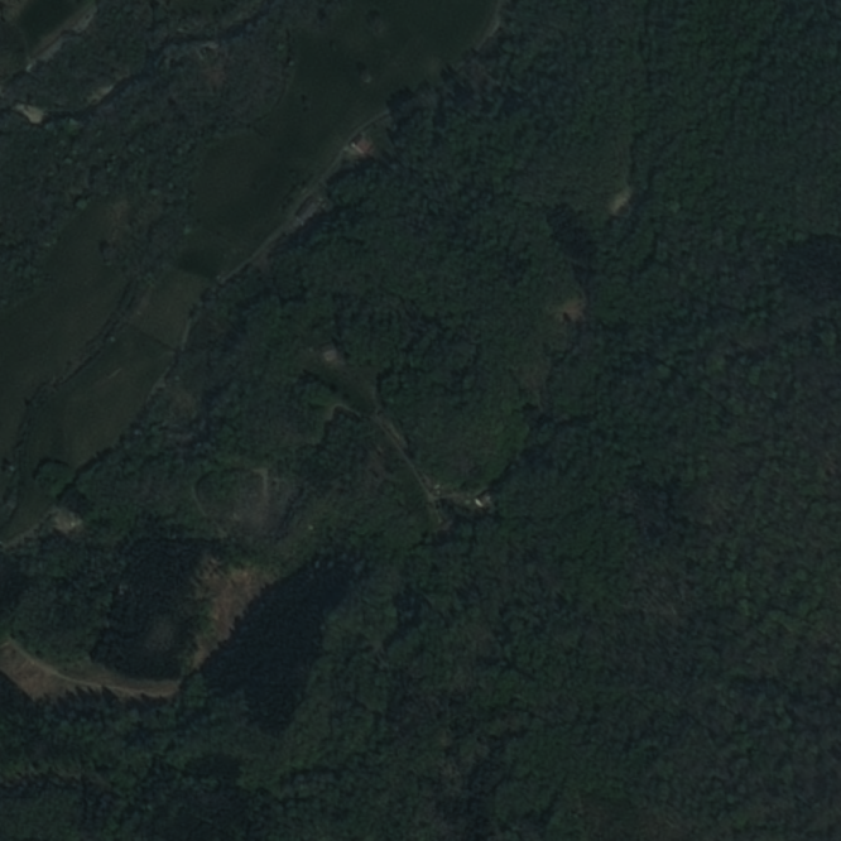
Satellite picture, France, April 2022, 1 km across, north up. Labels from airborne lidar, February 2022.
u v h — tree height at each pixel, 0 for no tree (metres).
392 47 0
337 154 0
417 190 24
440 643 20
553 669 24
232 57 17
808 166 21
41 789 18
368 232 19
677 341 17
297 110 0
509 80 22
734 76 17
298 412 13
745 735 22
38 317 0
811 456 25
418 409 20
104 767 11
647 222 17
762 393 30
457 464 16
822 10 21
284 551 14
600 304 26
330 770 11
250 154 0
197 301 0
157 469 17
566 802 26
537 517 22
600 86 17
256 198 0
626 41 11
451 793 30
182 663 15
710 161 17
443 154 22
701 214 20
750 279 33
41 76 22
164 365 0
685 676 29
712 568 28
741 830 24
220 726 19
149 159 21
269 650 19
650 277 20
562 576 27
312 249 10
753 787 31
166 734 17
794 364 25
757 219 18
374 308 27
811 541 26
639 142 17
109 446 0
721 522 32
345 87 0
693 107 14
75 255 0
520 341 16
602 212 16
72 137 7
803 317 32
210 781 20
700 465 29
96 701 18
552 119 13
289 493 0
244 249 0
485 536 24
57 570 16
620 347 19
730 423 29
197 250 0
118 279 0
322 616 16
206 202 0
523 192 21
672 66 14
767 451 27
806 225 25
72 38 17
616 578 26
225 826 16
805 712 36
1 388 0
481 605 26
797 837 21
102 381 0
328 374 0
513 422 30
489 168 20
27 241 8
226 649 9
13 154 9
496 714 16
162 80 24
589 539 28
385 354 21
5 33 0
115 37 13
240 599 0
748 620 29
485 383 21
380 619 16
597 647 27
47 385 7
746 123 22
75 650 19
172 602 19
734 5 11
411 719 21
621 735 23
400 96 0
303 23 28
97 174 18
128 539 11
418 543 22
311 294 18
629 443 21
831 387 36
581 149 15
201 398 6
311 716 17
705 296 24
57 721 22
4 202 7
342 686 15
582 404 17
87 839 30
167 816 12
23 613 20
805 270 23
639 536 22
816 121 20
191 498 17
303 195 0
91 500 21
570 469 18
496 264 14
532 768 24
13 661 0
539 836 30
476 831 19
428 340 22
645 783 29
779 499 27
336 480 15
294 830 23
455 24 0
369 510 26
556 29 15
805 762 34
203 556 22
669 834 8
